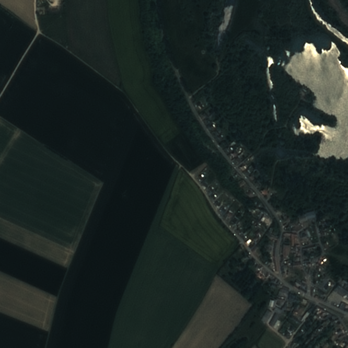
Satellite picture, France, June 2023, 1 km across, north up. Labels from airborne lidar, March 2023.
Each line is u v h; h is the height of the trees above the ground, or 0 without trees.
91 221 0
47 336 0
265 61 0
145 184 0
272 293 13
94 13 0
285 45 5
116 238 0
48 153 0
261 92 6
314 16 0
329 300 0
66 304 0
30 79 0
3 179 0
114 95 0
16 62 0
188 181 0
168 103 10
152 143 0
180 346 0
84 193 0
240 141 9
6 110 0
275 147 6
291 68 0
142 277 0
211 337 0
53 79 0
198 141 10
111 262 0
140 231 0
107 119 0
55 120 0
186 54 0
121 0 0
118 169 0
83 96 0
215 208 0
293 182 33
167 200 0
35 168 0
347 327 0
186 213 0
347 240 24
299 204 11
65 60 0
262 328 0
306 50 0
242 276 18
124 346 0
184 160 0
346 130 0
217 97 6
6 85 0
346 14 29
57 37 0
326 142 0
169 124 0
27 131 0
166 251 0
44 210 0
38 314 0
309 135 10
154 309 0
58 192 0
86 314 0
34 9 0
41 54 0
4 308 0
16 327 0
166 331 0
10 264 0
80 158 0
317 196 9
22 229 0
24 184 0
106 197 0
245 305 0
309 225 0
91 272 0
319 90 0
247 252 12
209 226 0
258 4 0
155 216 0
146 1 11
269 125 6
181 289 0
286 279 0
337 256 0
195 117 0
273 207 7
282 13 0
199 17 0
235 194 8
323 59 0
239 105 10
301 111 0
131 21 0
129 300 0
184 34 0
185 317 0
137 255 0
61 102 0
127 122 0
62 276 0
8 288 0
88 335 0
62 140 0
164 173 0
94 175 0
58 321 0
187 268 0
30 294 0
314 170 24
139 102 0
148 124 0
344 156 0
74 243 0
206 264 0
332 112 0
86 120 0
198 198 0
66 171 0
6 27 0
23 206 0
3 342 0
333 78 0
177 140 0
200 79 0
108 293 0
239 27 0
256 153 0
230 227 0
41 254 0
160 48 10
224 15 0
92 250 0
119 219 0
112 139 0
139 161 0
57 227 0
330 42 0
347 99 0
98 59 0
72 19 0
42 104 0
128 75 0
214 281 0
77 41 0
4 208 0
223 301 0
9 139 0
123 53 0
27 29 0
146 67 0
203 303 0
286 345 0
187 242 0
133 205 0
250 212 8
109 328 0
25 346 0
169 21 0
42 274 0
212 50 19
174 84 14
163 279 0
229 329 0
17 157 0
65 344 0
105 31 0
